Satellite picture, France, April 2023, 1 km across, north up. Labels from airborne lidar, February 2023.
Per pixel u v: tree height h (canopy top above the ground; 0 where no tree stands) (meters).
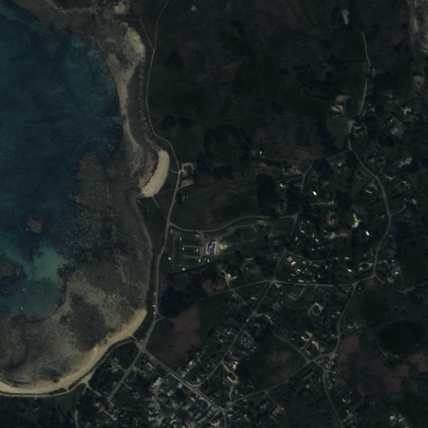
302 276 6
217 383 0
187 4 0
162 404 0
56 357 0
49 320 0
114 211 0
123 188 0
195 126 0
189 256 0
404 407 0
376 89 10
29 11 0
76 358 0
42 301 0
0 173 0
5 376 0
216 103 0
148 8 0
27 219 0
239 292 0
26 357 0
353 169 7
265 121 0
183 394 18
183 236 0
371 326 9
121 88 0
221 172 14
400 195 8
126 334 0
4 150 0
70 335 0
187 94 0
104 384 6
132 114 0
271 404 0
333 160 0
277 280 0
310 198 6
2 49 0
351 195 9
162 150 0
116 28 0
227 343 7
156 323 0
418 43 0
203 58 0
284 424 0
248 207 0
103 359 0
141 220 0
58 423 21
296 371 0
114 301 0
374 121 17
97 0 0
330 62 10
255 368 0
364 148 9
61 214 0
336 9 7
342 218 14
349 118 0
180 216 0
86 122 0
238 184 0
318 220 14
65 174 0
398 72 0
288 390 9
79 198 0
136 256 0
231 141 0
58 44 0
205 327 0
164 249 0
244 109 0
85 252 0
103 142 0
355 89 0
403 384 7
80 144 0
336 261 10
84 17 0
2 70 0
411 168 19
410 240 7
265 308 9
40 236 0
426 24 0
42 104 0
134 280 0
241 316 9
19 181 0
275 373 0
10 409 11
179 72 0
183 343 0
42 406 7
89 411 16
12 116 0
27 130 0
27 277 0
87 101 0
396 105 6
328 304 8
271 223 0
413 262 0
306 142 9
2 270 0
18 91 0
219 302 0
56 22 0
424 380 9
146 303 0
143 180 0
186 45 0
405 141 6
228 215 0
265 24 0
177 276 9
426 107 19
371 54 0
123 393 0
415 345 0
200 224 0
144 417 0
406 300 8
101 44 0
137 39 0
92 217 0
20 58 0
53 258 0
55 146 0
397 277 0
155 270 0
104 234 0
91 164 0
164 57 0
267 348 0
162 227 0
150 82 0
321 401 8
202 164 16
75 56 0
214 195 0
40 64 0
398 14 0
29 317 0
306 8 0
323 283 8
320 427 5
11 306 0
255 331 7
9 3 0
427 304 9
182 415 0
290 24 0
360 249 12
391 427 0
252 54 0
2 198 0
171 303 21
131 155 0
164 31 0
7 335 0
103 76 0
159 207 0
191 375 0
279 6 0
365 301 0
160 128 0
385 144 11
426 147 9
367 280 0
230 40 0
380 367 0
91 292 0
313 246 9
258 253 0
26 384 0
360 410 10
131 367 0
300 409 9
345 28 9
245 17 0
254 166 0
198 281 15
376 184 9
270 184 20
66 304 0
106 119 0
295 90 0
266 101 0
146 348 0
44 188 0
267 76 0
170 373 0
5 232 0
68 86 0
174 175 0
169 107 0
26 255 0
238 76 0
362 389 0
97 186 0
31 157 0
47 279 0
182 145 0
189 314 0
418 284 8
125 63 0
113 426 6
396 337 0
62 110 0
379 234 18
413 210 16
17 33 0
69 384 0
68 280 0
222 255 0
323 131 19
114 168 0
